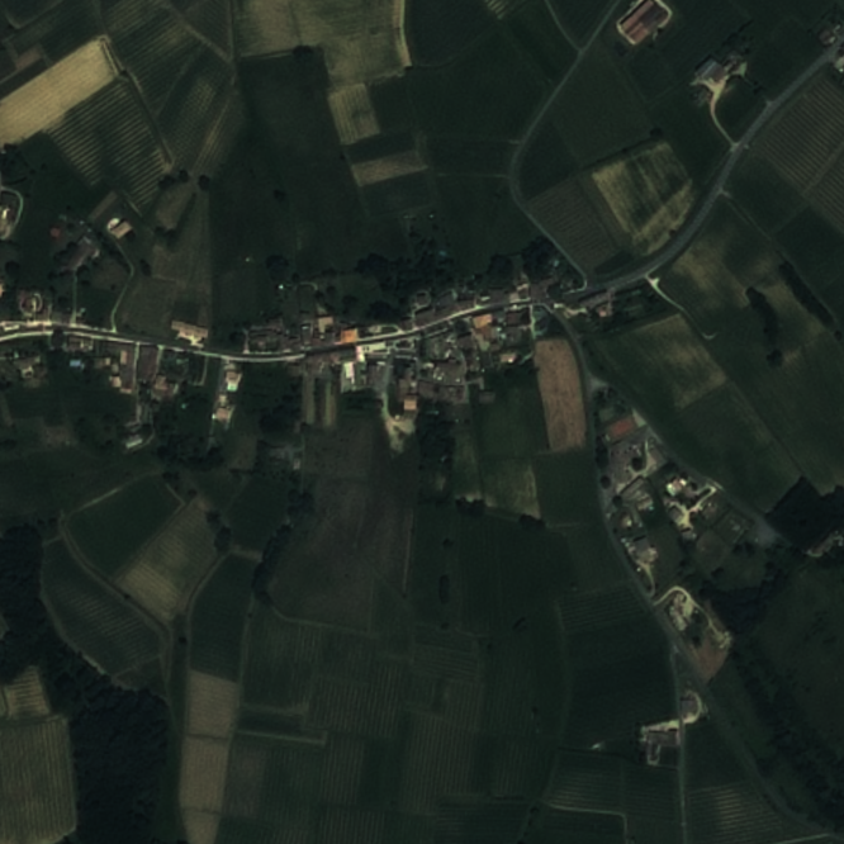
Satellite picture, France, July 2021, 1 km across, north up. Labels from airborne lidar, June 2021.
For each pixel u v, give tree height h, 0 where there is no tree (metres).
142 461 0
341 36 0
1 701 0
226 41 0
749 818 0
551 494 0
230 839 0
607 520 0
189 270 0
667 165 0
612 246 0
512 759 0
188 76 0
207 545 0
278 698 0
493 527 0
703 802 0
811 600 0
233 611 0
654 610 0
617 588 0
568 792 0
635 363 0
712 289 0
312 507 12
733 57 0
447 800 0
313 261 0
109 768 15
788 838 0
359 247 0
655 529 0
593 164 0
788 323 0
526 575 0
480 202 0
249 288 0
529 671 0
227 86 0
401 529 0
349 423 0
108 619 0
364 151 0
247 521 0
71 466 0
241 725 0
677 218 0
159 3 0
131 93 0
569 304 0
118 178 0
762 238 0
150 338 0
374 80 0
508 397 0
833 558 9
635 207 0
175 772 0
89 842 11
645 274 0
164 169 0
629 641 0
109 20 0
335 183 0
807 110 0
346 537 0
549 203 0
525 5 0
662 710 0
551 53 0
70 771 0
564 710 0
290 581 0
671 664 0
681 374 0
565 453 0
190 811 0
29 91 0
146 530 0
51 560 0
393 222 0
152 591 0
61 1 0
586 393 0
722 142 0
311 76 0
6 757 0
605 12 0
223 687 0
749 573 0
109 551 0
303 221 0
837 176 0
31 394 0
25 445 0
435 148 0
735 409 0
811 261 0
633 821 0
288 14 0
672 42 0
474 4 0
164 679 0
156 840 8
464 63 0
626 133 0
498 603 0
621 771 0
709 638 0
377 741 0
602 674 0
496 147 0
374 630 0
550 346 0
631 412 0
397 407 0
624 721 0
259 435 0
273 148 0
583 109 0
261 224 0
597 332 5
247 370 8
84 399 0
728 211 0
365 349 0
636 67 0
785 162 0
